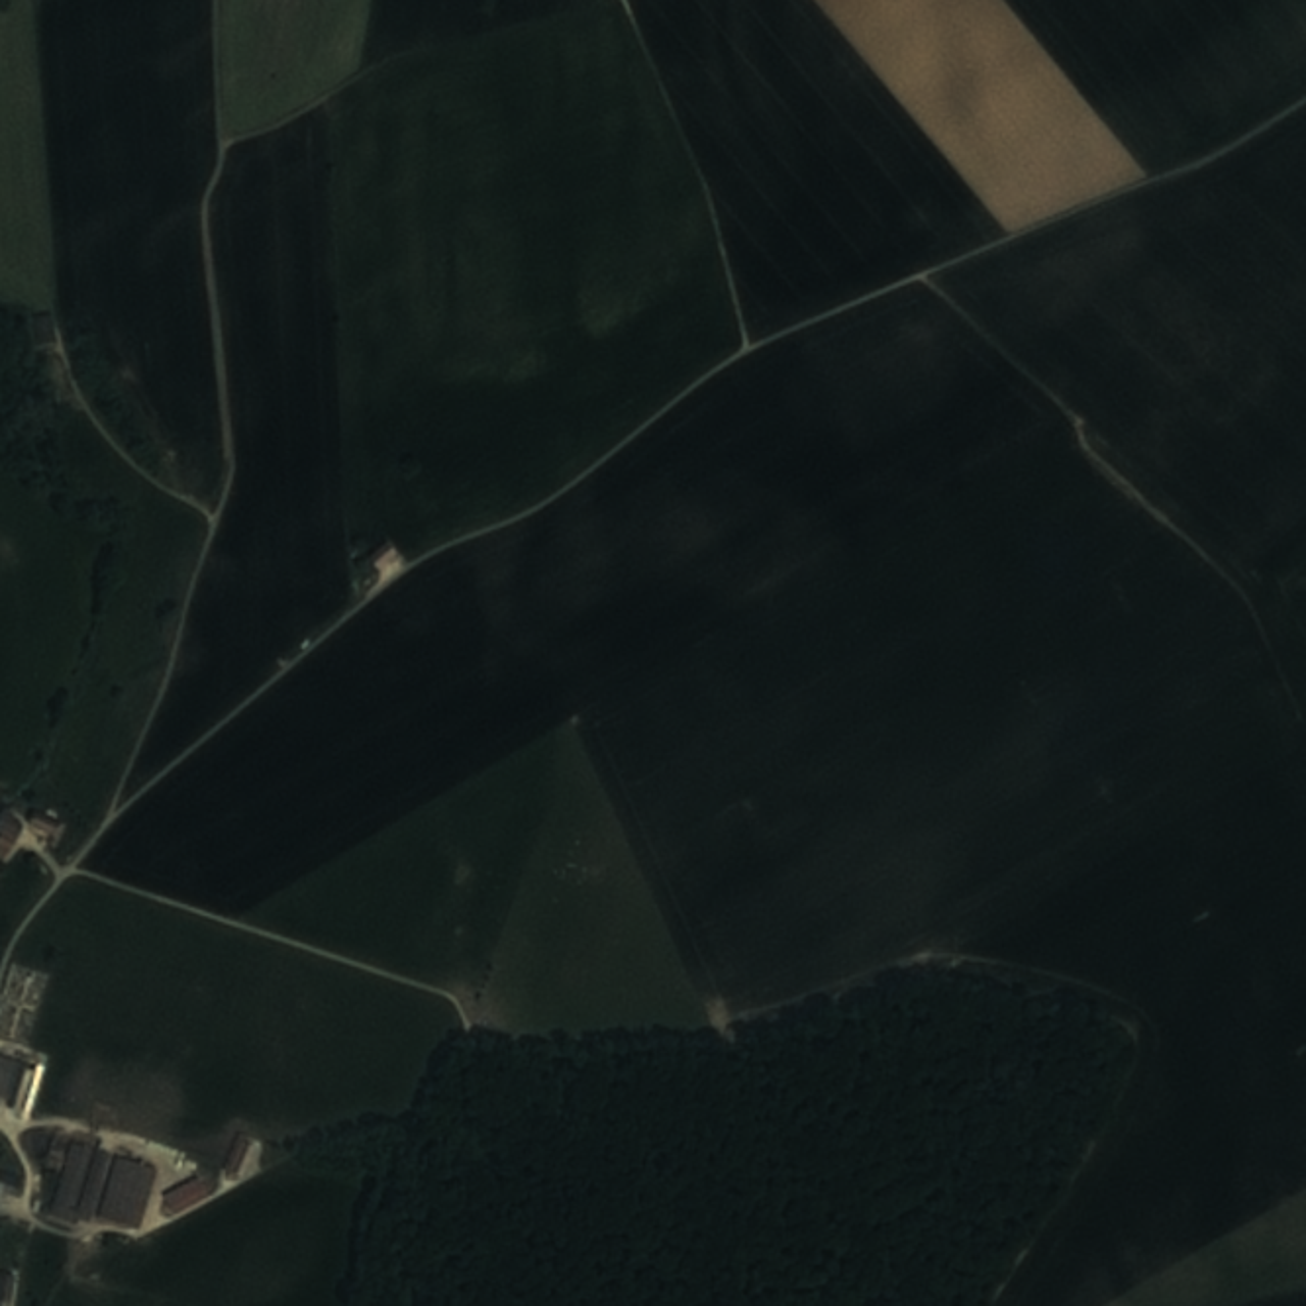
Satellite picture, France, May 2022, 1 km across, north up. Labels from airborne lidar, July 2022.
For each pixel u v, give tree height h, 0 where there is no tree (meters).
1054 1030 26
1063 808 0
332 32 0
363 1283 21
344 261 0
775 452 0
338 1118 0
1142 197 0
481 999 7
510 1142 28
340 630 0
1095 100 0
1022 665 0
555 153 0
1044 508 0
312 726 0
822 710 0
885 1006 25
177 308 0
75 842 0
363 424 0
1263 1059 0
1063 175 0
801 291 0
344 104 0
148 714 0
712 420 0
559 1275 27
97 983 0
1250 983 0
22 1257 0
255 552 0
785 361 0
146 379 0
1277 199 0
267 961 0
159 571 0
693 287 0
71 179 0
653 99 0
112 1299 0
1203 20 0
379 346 0
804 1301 27
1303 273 0
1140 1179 0
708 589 0
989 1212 30
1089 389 0
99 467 0
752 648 0
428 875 0
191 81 0
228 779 0
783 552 0
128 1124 0
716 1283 31
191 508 0
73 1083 0
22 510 0
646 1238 29
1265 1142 0
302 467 0
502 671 0
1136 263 0
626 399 0
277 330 0
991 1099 18
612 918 0
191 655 0
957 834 0
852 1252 29
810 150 0
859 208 0
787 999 0
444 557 0
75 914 0
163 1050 0
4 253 0
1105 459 0
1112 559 0
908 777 0
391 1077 0
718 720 0
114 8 0
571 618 0
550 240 0
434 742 0
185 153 0
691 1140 30
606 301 0
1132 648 0
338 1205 0
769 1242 31
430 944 0
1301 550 0
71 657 0
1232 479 0
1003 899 0
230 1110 0
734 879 0
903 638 0
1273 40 0
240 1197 0
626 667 0
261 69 0
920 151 0
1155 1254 0
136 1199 0
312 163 0
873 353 0
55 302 0
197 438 0
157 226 0
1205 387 0
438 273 0
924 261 0
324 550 0
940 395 0
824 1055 29
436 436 0
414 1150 23
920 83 0
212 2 0
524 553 0
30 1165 0
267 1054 0
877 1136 30
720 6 0
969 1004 28
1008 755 0
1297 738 0
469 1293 29
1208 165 0
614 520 0
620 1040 18
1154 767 0
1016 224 0
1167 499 0
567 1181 30
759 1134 30
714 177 0
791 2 0
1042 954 0
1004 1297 0
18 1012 0
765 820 0
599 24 0
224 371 0
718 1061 30
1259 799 0
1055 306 0
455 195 0
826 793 0
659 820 0
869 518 0
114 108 0
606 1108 32
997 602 0
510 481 0
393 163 0
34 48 0
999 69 0
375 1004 0
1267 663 0
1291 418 0
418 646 0
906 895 0
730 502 0
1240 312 0
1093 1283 0
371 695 0
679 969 0
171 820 0
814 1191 32
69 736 0
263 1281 0
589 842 0
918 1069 30
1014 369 0
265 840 0
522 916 0
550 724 0
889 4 0
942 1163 30
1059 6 0
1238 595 0
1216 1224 0
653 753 0
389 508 0
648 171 0
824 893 0
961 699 0
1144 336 0
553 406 0
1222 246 0
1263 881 0
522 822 0
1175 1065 0
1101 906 0
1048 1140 29
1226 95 0
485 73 0
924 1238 33
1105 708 0
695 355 0
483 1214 30
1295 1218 0
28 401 24
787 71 0
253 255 0
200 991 0
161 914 0
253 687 0
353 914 0
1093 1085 26
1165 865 0
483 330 0
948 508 0
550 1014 0
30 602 0
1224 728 0
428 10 0
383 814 0
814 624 0
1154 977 0
